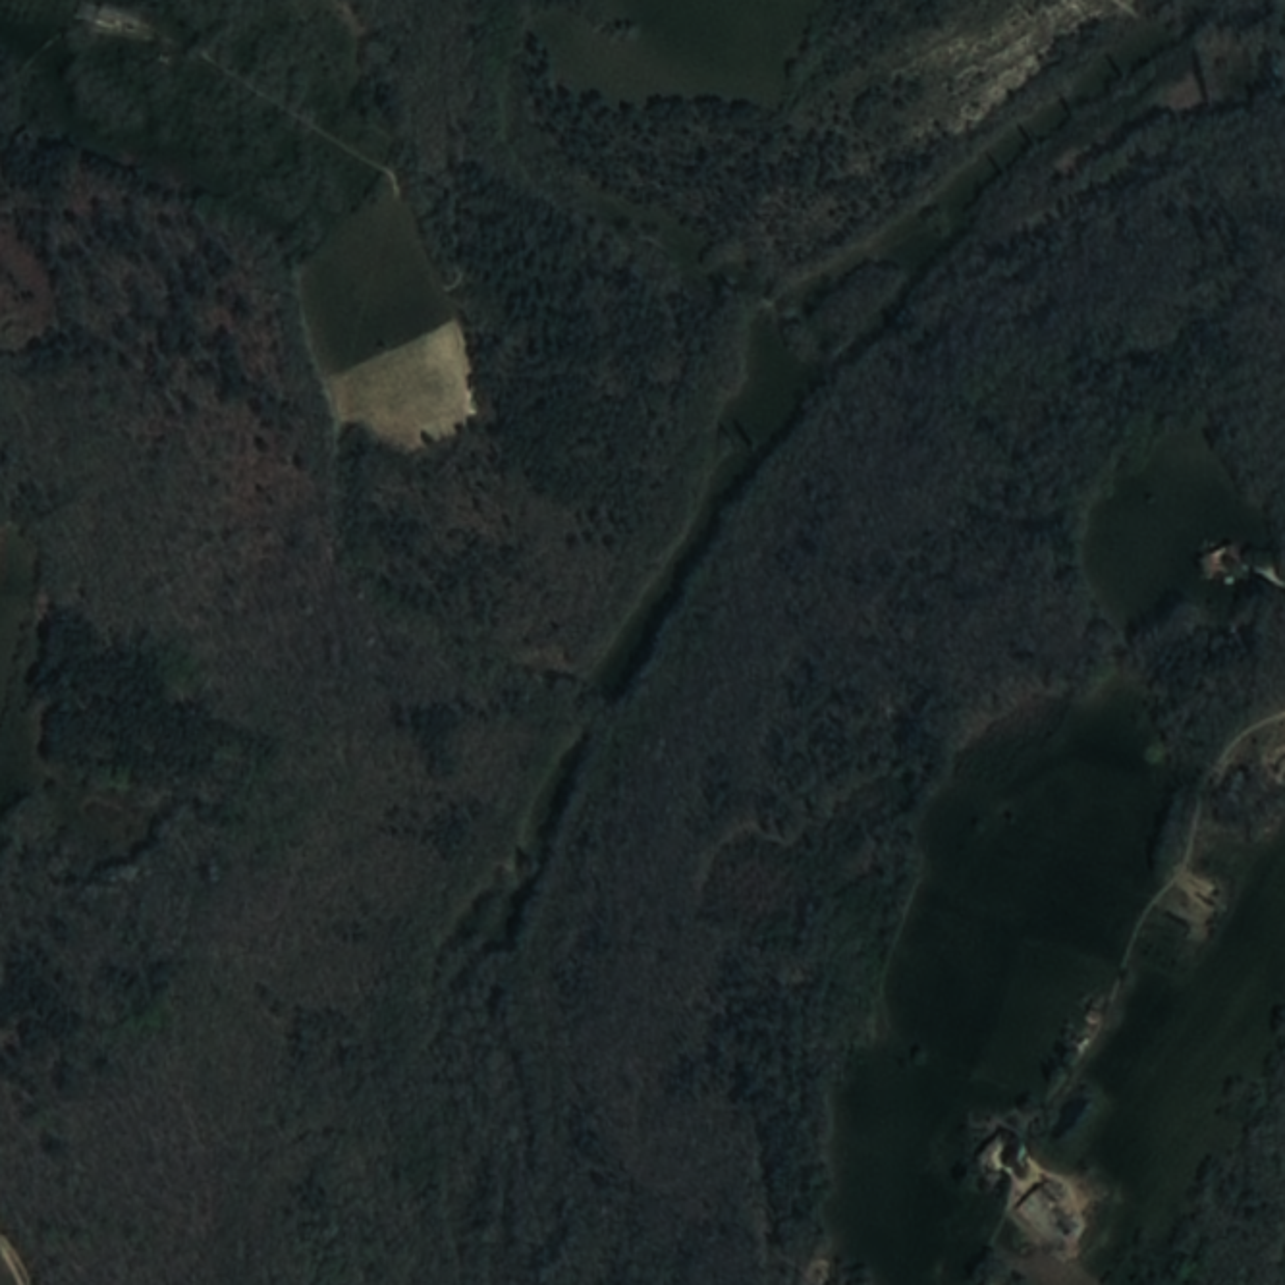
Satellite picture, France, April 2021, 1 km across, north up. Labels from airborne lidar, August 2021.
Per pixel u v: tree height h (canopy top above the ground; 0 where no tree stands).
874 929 10
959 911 0
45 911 15
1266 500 15
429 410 0
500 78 18
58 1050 19
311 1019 14
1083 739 0
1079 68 8
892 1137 0
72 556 21
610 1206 17
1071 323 20
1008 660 15
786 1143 20
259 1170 16
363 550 16
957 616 15
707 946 15
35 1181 12
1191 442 0
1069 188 11
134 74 9
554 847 23
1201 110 7
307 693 17
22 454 17
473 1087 21
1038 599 24
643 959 18
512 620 12
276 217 13
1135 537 0
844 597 15
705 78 0
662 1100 13
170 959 16
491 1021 14
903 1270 0
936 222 18
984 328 19
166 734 26
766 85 0
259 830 23
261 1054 14
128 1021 18
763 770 15
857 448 13
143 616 20
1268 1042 0
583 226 15
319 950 12
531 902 15
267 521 10
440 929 19
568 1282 32
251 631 16
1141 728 7
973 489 18
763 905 7
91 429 11
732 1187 16
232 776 17
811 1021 18
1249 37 7
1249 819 18
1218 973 0
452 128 19
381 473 13
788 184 14
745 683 20
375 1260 19
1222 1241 24
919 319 20
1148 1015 0
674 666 22
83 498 20
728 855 9
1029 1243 0
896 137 11
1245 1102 6
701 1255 14
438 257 6
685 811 15
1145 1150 0
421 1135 20
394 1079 23
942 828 0
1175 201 13
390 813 12
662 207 9
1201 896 0
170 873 20
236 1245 15
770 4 0
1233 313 13
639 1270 23
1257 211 11
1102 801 0
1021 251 16
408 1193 23
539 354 15
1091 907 0
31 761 0
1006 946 0
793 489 14
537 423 19
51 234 16
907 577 13
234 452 11
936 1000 0
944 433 17
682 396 23
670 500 17
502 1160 19
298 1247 18
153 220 6
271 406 19
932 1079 0
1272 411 19
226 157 10
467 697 14
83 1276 16
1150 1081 0
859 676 16
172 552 19
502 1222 13
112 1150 16
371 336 0
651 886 18
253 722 20
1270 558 7
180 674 17
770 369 0
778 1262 11
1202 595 0
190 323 21
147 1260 18
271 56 10
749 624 17
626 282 12
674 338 9
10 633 0
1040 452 11
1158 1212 0
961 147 17
